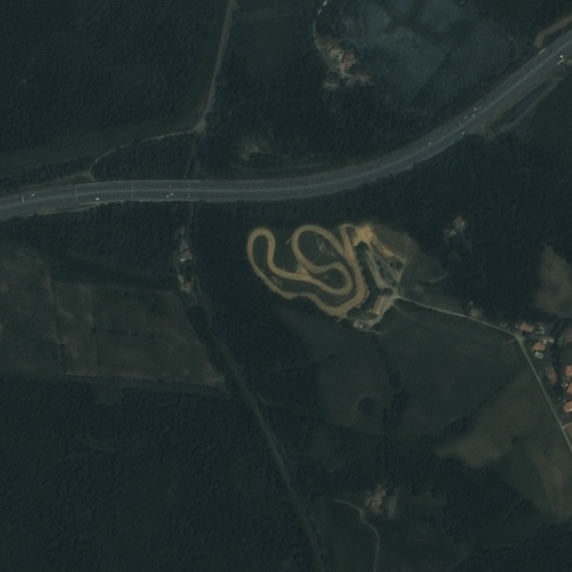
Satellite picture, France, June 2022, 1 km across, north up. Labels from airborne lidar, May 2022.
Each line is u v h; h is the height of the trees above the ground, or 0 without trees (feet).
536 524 0
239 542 20
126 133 0
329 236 0
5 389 28
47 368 0
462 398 0
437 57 0
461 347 0
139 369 0
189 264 40
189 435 37
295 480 44
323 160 21
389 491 41
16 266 0
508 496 27
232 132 20
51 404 28
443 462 56
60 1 47
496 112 0
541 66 0
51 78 44
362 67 54
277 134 39
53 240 38
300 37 31
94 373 0
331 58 0
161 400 58
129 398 27
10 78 37
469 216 73
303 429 51
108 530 30
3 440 33
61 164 17
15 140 77
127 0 32
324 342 0
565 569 26
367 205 36
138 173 36
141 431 30
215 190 0
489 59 24
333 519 0
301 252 0
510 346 0
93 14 20
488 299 60
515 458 0
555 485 0
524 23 20
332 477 56
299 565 37
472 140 66
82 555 64
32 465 28
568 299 0
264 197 0
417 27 0
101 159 20
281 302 31
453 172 56
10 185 50
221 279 73
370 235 0
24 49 43
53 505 34
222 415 50
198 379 0
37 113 45
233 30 37
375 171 0
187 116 0
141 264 46
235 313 19
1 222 22
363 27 0
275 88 58
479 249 85
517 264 85
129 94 52
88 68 44
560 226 80
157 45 46
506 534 0
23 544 29
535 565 27
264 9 25
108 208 38
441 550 0
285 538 49
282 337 55
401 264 37
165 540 28
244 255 44
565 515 0
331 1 45
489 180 91
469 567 70
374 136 62
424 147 0
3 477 61
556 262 0
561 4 32
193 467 58
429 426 0
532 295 30
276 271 0
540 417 0
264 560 36
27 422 31
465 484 70
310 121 63
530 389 0
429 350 0
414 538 0
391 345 0
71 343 0
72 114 49
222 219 37
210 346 48
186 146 35
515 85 0
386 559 0
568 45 0
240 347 68
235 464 41
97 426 62
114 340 0
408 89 19
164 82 43
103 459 62
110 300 0
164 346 0
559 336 36
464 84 28
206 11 37
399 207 83
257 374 56
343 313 0
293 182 0
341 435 45
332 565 0
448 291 24
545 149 33
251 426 57
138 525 24
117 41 39
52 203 0
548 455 0
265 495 34
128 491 28
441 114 44
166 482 32
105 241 43
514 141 44
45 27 54
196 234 60
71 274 28
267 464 32
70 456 24
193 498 24
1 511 38
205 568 41
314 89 73
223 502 64
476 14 24
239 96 71
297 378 62
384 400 0
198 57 65
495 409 0
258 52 20
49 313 0
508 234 81
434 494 40
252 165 20
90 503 52
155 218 70
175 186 0
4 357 0
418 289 0
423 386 0
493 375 0
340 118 61
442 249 72
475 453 0
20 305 0
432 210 75
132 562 34
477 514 43
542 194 76
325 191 0
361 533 0
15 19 44
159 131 0
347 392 0
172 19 46
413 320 0
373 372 0
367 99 58
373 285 32
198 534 40
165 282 30
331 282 0
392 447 49
